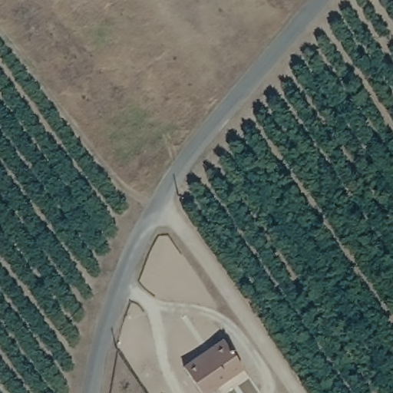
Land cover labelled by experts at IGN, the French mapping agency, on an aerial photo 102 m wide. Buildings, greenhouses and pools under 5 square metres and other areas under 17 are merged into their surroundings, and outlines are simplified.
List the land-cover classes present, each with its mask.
<instances>
[{"label":"deciduous trees","instance_id":"1","mask_svg":"<svg viewBox=\"0 0 393 393\"><path fill-rule=\"evenodd\" d=\"M364 14L372 20L373 26L382 37L390 31L370 0H358ZM330 28L352 57V63L348 64L342 60L341 54L336 46L330 43L327 34L316 37V51H299L298 57H301L304 64L292 66V72L307 91H299L293 80L282 83V88L292 100L304 124H299L295 120V115L289 111L286 101L282 100L279 94L272 97V114H269V109H261L256 115L258 123L263 124L270 140L281 150V161L290 170L286 177L279 173L278 166L273 163L275 155L255 126L244 130L246 138L241 137L239 141L229 143V149L220 157V167L212 166V169L206 170L210 183L227 206L223 207L220 201L213 200L212 192L201 181L189 184L187 192L181 193L178 189H175L178 198L184 212L189 216L190 223L198 229L204 243L212 250L216 261L223 266L229 278L235 282L241 295L249 299L253 313L263 321L264 329L284 359L289 362L292 372L296 373L307 393H393V132L384 123L381 112L373 104L370 94L365 91L361 78L355 74V69H361L367 75L379 101L387 107L393 118V40L388 41L390 49L387 54L382 52L381 45L373 40L367 25L359 20L358 12L350 6L342 11L341 20L330 23ZM292 173H296L299 180L304 183L305 189L312 192L316 200L315 209L322 213V220L329 218L335 233L330 235L324 224L316 221L315 216L310 213L313 207L299 190L298 184L293 183L290 177ZM344 246L352 250L355 258L359 259L358 267L372 279L379 292L378 298L373 296L367 284L353 272L352 267L345 266L347 256L341 250ZM276 250H281L289 259L290 266L295 270L296 279L302 284L301 295L295 292L293 279H290L286 267L276 256ZM0 57L8 64L18 83L31 95L52 129L57 130V134L63 140L60 146L55 143L54 137L43 129L37 115L31 111L28 101L20 97L15 91L14 84L0 68V253L20 276L21 281L28 284L32 295L40 301L60 332L68 338L69 344L75 347L80 335L74 322L83 319V307L71 292V287H77L84 298H91L92 290L60 243L66 241L92 276L100 275V267L94 255L109 252L107 239L117 233V224L107 213L104 204L98 200V196L92 192L91 184L100 189L115 212L121 213L127 209L126 198L123 192L115 189L104 167L95 163L94 157L84 149L80 138L75 137L72 127L58 115L55 104L41 91L40 83L28 74L25 64L20 63L12 49L6 46L5 40L0 37ZM54 361H60L61 367L69 372L74 367L71 355L64 350L63 344L49 329L45 319L41 318L35 305L17 286L15 279L9 276L8 270L0 264V393H68V382L55 368Z\"/></svg>","mask_w":393,"mask_h":393},{"label":"agricultural land","instance_id":"2","mask_svg":"<svg viewBox=\"0 0 393 393\"><path fill-rule=\"evenodd\" d=\"M312 0H0V37L5 40L6 46L12 49L20 63L25 64L28 74L40 83L41 91L55 104L58 115L72 127L75 137L80 138L84 149L94 157L95 163L104 167L115 189L123 192L126 198H132L147 206L157 195L163 173L166 170L172 172L173 164L195 137L196 132L203 129L216 109L232 94L233 89L275 45L281 32L292 23L302 8L310 5ZM144 286L155 292L154 298L157 301L172 302L195 305L216 310L215 301L195 270L190 267L183 255L177 252L166 236L158 239L141 276ZM118 347L134 367L149 393H170L158 364L154 332L146 310L140 312L135 305H130Z\"/></svg>","mask_w":393,"mask_h":393},{"label":"herbaceous vegetation","instance_id":"3","mask_svg":"<svg viewBox=\"0 0 393 393\"><path fill-rule=\"evenodd\" d=\"M390 31L382 37L373 26L372 20L364 14L358 0H329L273 64L270 71L255 84L249 95L233 107L226 120L193 155L192 160L178 175V189L181 193L187 192L189 184L201 181L212 192L213 200L220 201L223 207L227 206L210 183L206 170L212 169V166L220 167V157L229 149V143L226 140L227 132L241 126L243 120H252L255 126L275 155L273 163L278 166L279 173L286 177L290 170L281 161V150L270 140L263 124L258 123L256 115L261 109H269V114H272V97L279 94L282 100L286 101L289 111L295 115V120L299 124H304L292 100L282 88V83L293 80L299 91H307L292 72V66L304 64L301 57H298L299 51H316V37L327 34L330 43L336 46L341 54L342 60L348 64L352 63V57L330 28V23L341 20L342 11L350 6L358 12L359 20L367 25L373 40L381 45L382 52L387 54L390 49L388 41L393 40V0H370ZM0 68L14 84L15 91L20 97L28 101L31 111L37 115L43 129L54 137L55 143L60 146L63 140L57 134V130L52 129L31 95L18 83L8 64L0 57ZM355 74L361 78L365 91L370 94L373 104L381 112L384 123L393 132V118L387 107L379 101L367 75L361 69H355ZM290 177L293 183L298 184L299 190L313 207L310 213L315 216L316 221L324 224L330 235L335 233L329 218L322 220V213L315 209L316 200L312 192L305 189L304 183L299 180L296 173H292ZM92 192L98 196V200L104 204L107 213L117 224V233L107 239L109 252L94 255L100 267V275L92 276L66 241L60 243L92 290L91 298H84L77 287H71V292L83 307V319L74 322L80 335L75 347L69 344L68 338L60 332L40 301L32 295L28 284L21 281L20 276L0 253V264L8 270L9 276L15 279L17 286L35 305L41 318L45 319L49 329L63 344L64 350L71 355L74 367L69 372L61 367L60 361H54L55 368L68 382V393H83L84 378L88 372L92 345L97 335L98 322L103 315L104 304L129 246L130 232L146 212L147 206L132 198H126L127 209L121 213L115 212L100 189L91 184ZM166 236L177 252L183 255L190 267L195 270L215 301L216 310L227 316L243 335L249 330L230 309L224 296L218 292L206 270L183 243V239L169 227H157L154 235L150 236L146 252L135 270L138 287L150 298H154L155 292L144 286L141 276L158 239ZM341 250L347 256L345 266L352 267L353 272L367 284L373 296L378 298L379 292L372 279L358 267L359 259L355 258L352 250L344 246ZM276 256L286 267L290 279H293L295 292L301 295L302 284L296 279L295 270L290 266L289 259L281 250H276ZM130 305H135L140 312L146 310L141 302L130 299V295L124 298L115 321L114 335L111 336V341L107 342L97 393H149L134 367L118 347ZM175 312H161V319L166 333L167 359L184 393H221L220 388L207 391L198 387V382L190 376L184 365L206 353L227 335L220 322L201 316L195 305L172 302ZM243 372L247 375V381L239 385L243 393H259L263 388L261 376L255 365L246 364Z\"/></svg>","mask_w":393,"mask_h":393},{"label":"pervious surface","instance_id":"4","mask_svg":"<svg viewBox=\"0 0 393 393\"><path fill-rule=\"evenodd\" d=\"M160 227H169L183 239V243L206 270L218 292L224 296L230 309L249 330L243 335L227 316L216 310L195 305L201 316L220 322L227 335L238 348L241 361L246 364L255 365L261 376L263 388L259 393H307L296 373L292 372L289 362L284 359L264 329L263 321L253 313L249 299L241 295L235 282L229 278L223 266L216 261L212 250L204 243L198 229L190 223L189 216L184 212L178 198L175 201H167L161 210L160 220L157 221ZM130 295V299L141 302L146 310L154 332L158 364L170 393H184L167 359L166 333L161 319V312H175L172 302L157 301L154 298H150L138 287H132L129 290Z\"/></svg>","mask_w":393,"mask_h":393},{"label":"impervious surface","instance_id":"5","mask_svg":"<svg viewBox=\"0 0 393 393\"><path fill-rule=\"evenodd\" d=\"M329 0H312L310 5L302 8L292 23L281 32L275 45L233 89L232 94L216 109L203 129L196 132L195 137L173 164L172 172L166 170L163 173L157 195L147 206L146 212L130 232L129 246L104 304L103 315L98 322L97 335L92 345L88 372L84 378L83 393H97L107 342L111 341V336L114 335L115 321L124 298L130 295L129 290L132 287H138L135 270L146 252L150 236L154 235L157 227H160L157 221L160 220L161 210L167 201H175L178 198L175 189H178V175L192 160L193 155L226 120L233 107L249 95L255 84L270 71L273 64ZM247 381V375L243 372L224 382L220 388L221 393H243L239 385Z\"/></svg>","mask_w":393,"mask_h":393},{"label":"building","instance_id":"6","mask_svg":"<svg viewBox=\"0 0 393 393\"><path fill-rule=\"evenodd\" d=\"M246 364L241 361L238 348L227 335L206 353L184 365L190 376L198 382V387L207 391L220 388L224 382L243 372Z\"/></svg>","mask_w":393,"mask_h":393},{"label":"plowed land","instance_id":"7","mask_svg":"<svg viewBox=\"0 0 393 393\"><path fill-rule=\"evenodd\" d=\"M255 126L252 120H243L241 126L227 132L226 140L229 143L239 141L241 137L246 138L244 130Z\"/></svg>","mask_w":393,"mask_h":393}]
</instances>
